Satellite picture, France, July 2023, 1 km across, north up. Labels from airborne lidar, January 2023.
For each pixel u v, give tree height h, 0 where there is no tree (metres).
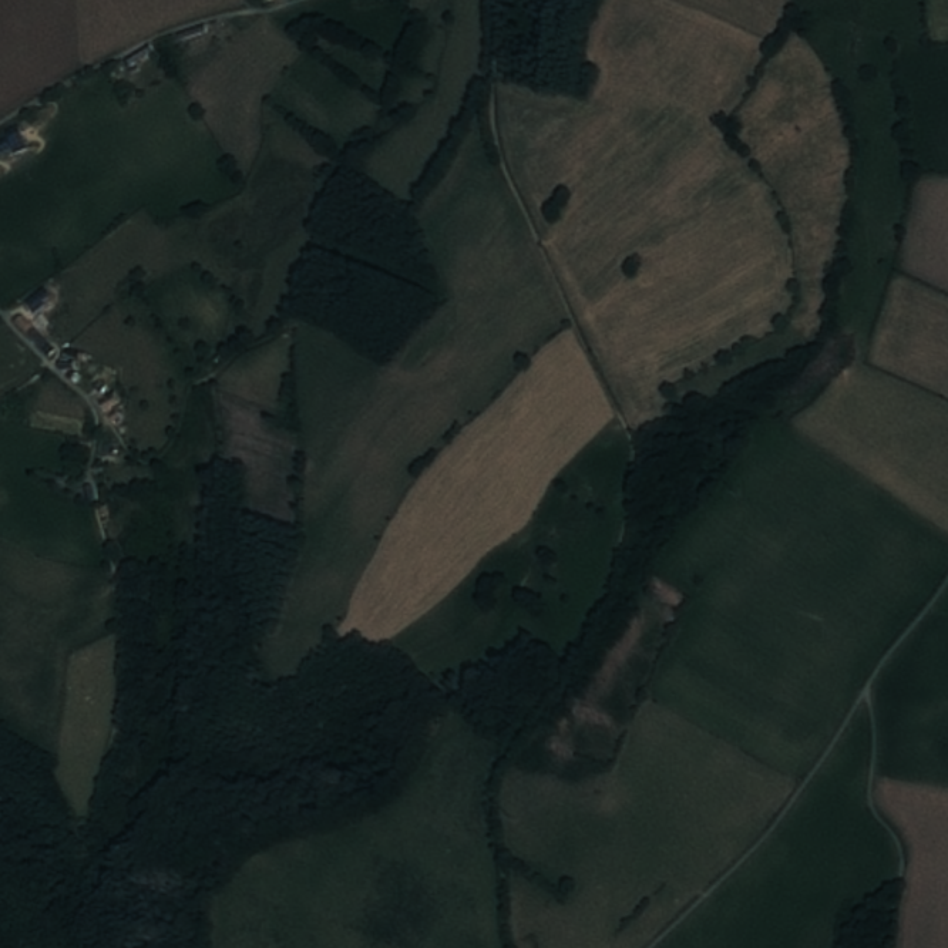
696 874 0
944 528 0
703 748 0
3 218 0
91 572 0
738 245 0
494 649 0
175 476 0
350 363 0
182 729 21
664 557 0
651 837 0
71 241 0
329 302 18
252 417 0
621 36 0
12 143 0
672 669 0
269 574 28
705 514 0
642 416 0
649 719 0
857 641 0
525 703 25
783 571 0
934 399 0
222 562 14
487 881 0
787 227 8
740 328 0
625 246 0
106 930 21
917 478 0
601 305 0
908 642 0
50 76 0
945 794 0
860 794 0
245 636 17
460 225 0
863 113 0
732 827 0
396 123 18
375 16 0
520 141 0
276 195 0
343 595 0
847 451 0
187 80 0
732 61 0
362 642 20
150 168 0
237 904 0
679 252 0
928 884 0
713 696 0
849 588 0
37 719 0
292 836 22
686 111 0
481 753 0
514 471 0
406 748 19
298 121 14
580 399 0
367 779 6
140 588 20
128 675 20
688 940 0
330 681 18
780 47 18
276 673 0
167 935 21
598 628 14
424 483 0
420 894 0
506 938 9
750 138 0
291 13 0
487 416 0
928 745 0
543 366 0
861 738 0
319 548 0
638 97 0
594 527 0
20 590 0
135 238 0
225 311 0
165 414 0
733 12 0
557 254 0
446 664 0
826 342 9
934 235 0
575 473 0
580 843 0
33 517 0
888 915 7
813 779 0
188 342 0
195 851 22
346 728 22
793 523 0
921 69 0
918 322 0
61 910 22
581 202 0
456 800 0
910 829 0
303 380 0
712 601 0
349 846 0
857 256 0
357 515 0
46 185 0
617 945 0
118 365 0
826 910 0
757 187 0
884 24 0
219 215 0
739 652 0
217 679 19
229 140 0
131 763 22
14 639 0
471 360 0
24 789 19
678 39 0
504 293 0
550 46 33
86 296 0
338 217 21
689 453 16
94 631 0
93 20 0
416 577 0
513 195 0
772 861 0
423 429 0
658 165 0
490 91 13
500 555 0
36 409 0
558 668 20
